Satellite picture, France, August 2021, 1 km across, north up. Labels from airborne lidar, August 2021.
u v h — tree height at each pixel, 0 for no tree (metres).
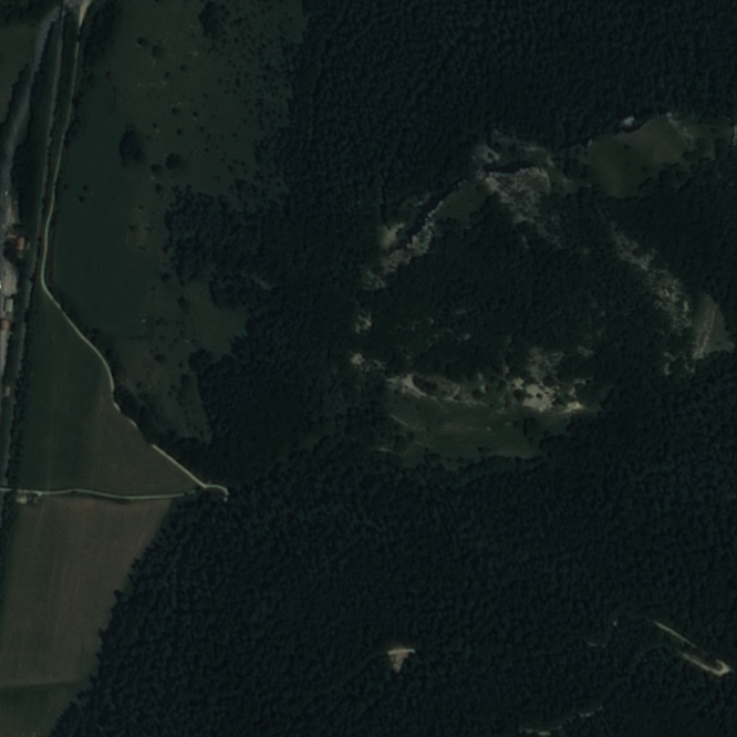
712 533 35
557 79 21
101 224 0
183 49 0
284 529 15
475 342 15
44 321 0
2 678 0
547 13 26
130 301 0
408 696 20
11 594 0
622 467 18
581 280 19
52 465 0
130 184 0
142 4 0
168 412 0
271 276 22
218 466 26
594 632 18
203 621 28
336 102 14
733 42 17
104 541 0
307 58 16
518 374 15
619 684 12
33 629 0
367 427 18
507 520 13
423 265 17
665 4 22
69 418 0
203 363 20
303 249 20
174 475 0
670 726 12
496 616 17
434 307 14
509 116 21
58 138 10
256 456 20
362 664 16
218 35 7
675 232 22
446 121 20
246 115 0
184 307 10
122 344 0
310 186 23
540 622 10
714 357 11
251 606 17
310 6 17
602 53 19
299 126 11
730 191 20
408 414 0
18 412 12
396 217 13
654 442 20
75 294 0
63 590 0
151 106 0
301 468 17
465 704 17
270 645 19
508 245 21
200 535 16
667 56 13
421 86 26
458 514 11
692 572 25
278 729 18
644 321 14
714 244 21
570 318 27
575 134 9
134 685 28
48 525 0
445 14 25
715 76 20
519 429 8
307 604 17
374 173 20
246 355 20
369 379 7
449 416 0
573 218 9
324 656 14
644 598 14
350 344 18
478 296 28
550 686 10
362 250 17
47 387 0
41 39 0
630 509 22
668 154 0
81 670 0
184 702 8
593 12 31
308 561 18
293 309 22
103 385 0
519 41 20
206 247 10
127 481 0
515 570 22
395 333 12
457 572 21
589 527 20
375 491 31
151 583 20
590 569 15
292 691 18
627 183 0
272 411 18
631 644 14
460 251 14
